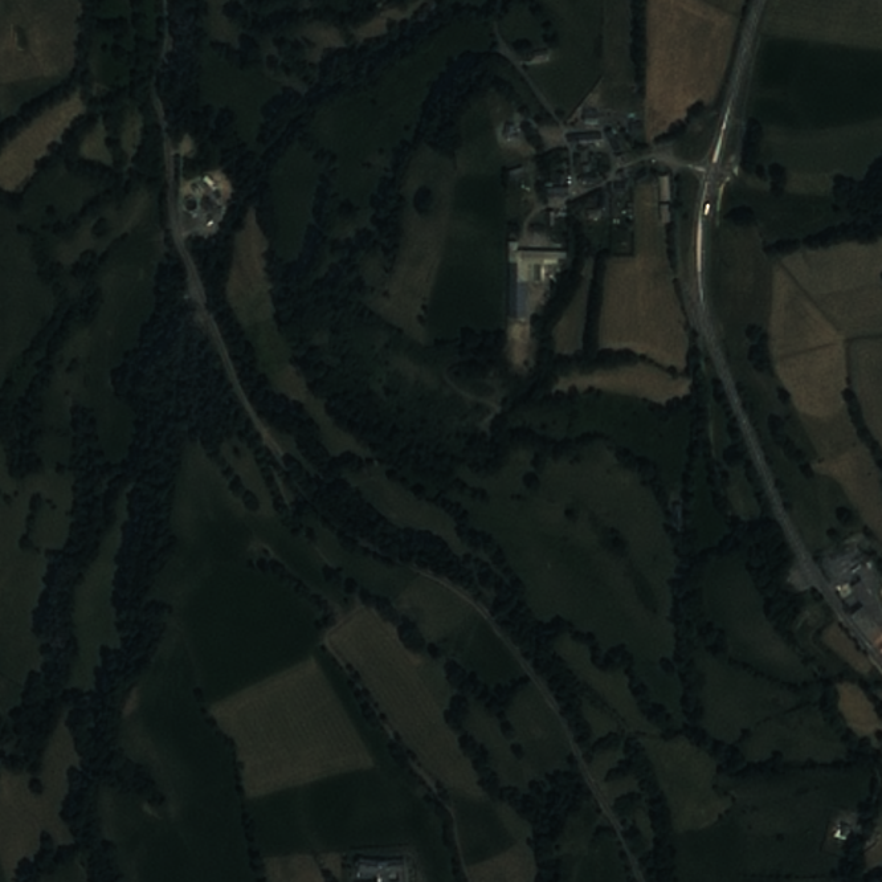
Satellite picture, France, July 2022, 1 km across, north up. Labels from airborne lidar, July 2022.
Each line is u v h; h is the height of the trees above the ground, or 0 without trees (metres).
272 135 12
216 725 16
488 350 13
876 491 0
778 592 9
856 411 17
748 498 0
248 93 0
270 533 0
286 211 0
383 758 0
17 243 0
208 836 0
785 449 16
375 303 0
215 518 0
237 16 24
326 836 0
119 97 20
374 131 0
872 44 0
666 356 0
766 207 0
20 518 0
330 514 19
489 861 0
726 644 10
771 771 13
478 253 0
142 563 18
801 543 0
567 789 11
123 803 0
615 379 0
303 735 0
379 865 0
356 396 16
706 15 0
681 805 0
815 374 0
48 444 0
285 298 22
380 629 0
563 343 0
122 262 0
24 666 0
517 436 23
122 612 22
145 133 15
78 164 23
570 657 0
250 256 0
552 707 0
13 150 0
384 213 21
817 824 0
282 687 0
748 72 0
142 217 0
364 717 10
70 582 27
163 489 18
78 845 13
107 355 0
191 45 26
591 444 12
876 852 0
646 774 11
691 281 0
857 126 0
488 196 0
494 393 0
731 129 0
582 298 0
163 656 0
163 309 16
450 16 15
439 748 0
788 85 0
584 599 0
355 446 0
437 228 0
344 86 21
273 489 14
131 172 19
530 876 0
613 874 0
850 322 0
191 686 0
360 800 0
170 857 0
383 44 17
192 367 14
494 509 0
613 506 0
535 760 0
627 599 0
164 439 10
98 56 0
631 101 0
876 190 17
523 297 0
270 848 0
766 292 0
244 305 0
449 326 0
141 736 0
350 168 0
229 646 0
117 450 0
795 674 0
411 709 0
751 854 0
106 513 19
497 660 0
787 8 0
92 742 27
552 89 0
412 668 0
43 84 0
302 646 0
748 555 17
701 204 0
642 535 0
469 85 18
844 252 0
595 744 6
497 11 14
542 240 0
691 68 0
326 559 0
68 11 0
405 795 0
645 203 0
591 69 0
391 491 0
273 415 29
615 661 17
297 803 0
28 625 0
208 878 0
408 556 15
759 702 0
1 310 0
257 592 0
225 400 18
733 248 0
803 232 0
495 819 0
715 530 0
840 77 0
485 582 16
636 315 0
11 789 0
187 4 16
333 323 7
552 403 22
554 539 0
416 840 0
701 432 10
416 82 0
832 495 0
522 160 0
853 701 0
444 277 0
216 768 0
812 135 0
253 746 0
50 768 0
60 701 20
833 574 0
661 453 0
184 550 0
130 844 0
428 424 7
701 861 0
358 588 9
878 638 0
